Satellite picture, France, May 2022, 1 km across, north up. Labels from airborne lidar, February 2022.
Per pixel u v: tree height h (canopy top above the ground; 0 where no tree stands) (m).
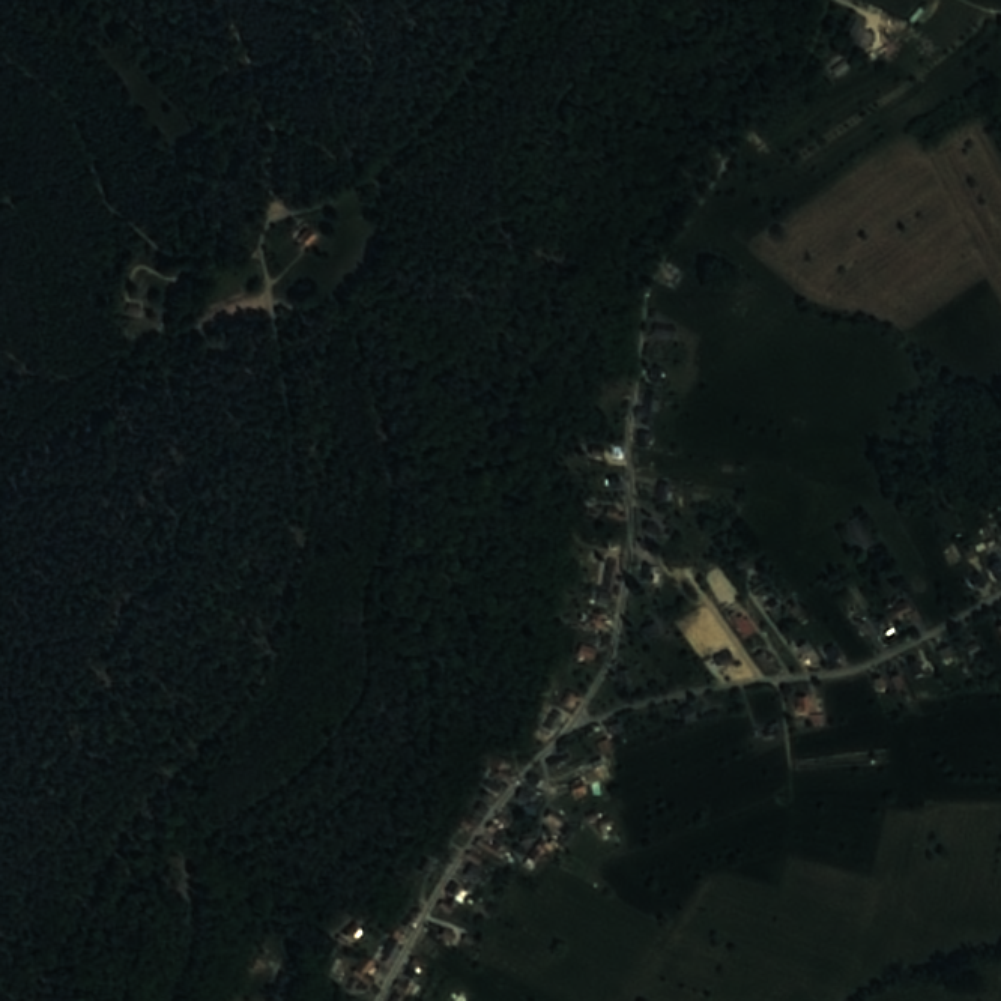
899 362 0
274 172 12
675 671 0
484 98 18
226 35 24
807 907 0
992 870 0
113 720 26
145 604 22
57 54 14
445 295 29
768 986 0
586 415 26
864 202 0
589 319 30
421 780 8
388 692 8
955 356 0
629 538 0
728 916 0
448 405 26
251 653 23
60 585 24
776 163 0
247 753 9
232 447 7
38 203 15
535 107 20
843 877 0
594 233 24
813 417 0
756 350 0
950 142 0
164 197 9
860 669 0
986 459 23
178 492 7
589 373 26
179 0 29
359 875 8
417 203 18
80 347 13
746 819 0
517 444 33
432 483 29
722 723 0
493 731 12
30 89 16
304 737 10
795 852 0
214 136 13
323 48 17
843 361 0
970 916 0
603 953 0
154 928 19
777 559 0
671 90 17
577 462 0
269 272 0
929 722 0
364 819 8
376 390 26
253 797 9
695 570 0
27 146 13
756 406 0
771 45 29
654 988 0
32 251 12
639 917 0
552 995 0
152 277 0
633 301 12
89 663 20
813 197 0
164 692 21
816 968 0
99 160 22
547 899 0
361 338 24
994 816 0
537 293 31
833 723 9
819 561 0
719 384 0
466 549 28
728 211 0
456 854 0
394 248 22
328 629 13
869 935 0
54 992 23
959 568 0
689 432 0
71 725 9
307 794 11
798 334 0
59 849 21
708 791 0
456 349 23
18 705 24
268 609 26
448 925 0
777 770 0
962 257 0
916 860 0
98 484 22
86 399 12
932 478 25
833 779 0
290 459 22
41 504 25
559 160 25
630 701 13
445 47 26
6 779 20
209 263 25
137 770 24
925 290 0
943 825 0
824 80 10
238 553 15
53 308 17
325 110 21
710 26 33
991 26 7
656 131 28
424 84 28
